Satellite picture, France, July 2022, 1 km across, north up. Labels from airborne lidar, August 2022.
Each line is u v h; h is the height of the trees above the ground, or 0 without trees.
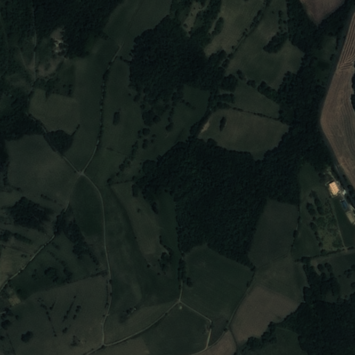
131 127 0
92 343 0
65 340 0
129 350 0
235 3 0
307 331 20
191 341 0
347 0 16
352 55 0
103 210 0
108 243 0
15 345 0
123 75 0
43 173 0
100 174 0
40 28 14
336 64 0
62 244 0
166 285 0
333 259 0
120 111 8
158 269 0
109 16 16
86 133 0
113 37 0
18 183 0
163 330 0
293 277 0
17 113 11
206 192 21
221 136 0
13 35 14
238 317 0
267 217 0
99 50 0
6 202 0
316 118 18
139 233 0
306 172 0
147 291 0
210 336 0
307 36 29
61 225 13
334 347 13
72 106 0
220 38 0
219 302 0
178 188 20
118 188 0
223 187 24
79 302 0
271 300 0
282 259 0
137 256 0
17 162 0
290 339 0
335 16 13
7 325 17
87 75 0
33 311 0
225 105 15
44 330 0
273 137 0
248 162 18
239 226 24
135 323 0
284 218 0
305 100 30
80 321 0
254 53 0
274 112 0
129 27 0
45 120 0
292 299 0
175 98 17
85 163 0
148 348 0
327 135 0
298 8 24
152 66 27
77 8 18
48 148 0
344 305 12
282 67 0
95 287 0
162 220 0
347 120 0
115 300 0
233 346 0
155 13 0
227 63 16
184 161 19
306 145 31
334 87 0
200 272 0
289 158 25
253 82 13
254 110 0
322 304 20
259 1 0
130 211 0
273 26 0
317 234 15
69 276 10
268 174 21
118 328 0
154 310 0
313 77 24
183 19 0
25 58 0
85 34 26
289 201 15
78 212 0
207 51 0
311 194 6
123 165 11
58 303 0
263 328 0
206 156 22
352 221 0
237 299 0
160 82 11
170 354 0
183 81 18
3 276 0
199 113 0
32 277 8
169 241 0
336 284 16
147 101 8
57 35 0
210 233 22
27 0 12
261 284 0
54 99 0
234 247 24
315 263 0
